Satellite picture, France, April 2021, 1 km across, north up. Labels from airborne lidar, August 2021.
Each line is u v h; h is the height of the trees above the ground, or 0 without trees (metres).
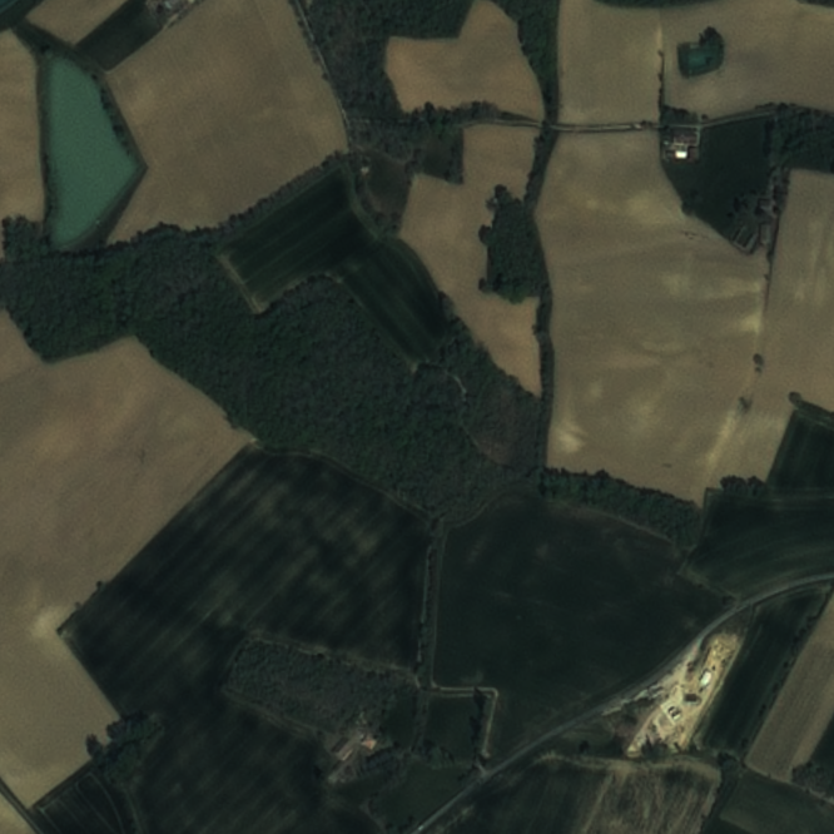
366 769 13
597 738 0
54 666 0
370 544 0
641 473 0
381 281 0
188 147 0
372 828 0
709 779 0
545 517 0
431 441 18
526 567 0
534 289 20
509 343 0
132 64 0
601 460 0
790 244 0
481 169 0
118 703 0
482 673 0
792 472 0
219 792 0
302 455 0
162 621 0
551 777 0
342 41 11
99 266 22
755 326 0
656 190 0
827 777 12
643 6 20
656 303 0
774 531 0
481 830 0
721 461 0
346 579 0
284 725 0
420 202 0
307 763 0
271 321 15
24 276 22
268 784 0
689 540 21
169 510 0
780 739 0
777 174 8
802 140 10
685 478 0
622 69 0
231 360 19
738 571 0
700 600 0
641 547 0
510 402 6
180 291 18
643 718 0
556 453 0
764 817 0
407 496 13
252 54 0
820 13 0
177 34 0
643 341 0
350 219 0
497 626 0
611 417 0
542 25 21
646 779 0
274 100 0
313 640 0
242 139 0
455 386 18
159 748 0
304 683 14
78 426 0
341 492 0
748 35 0
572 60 0
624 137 0
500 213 11
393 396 21
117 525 0
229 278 15
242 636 0
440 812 0
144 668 0
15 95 0
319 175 13
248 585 0
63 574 0
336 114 0
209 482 0
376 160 0
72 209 0
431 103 0
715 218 0
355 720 9
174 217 0
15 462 0
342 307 17
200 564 0
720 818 0
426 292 0
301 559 0
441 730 0
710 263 0
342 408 19
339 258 0
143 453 0
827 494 0
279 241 0
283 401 23
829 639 0
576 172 0
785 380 0
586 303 0
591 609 0
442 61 0
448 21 17
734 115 0
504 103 0
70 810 0
